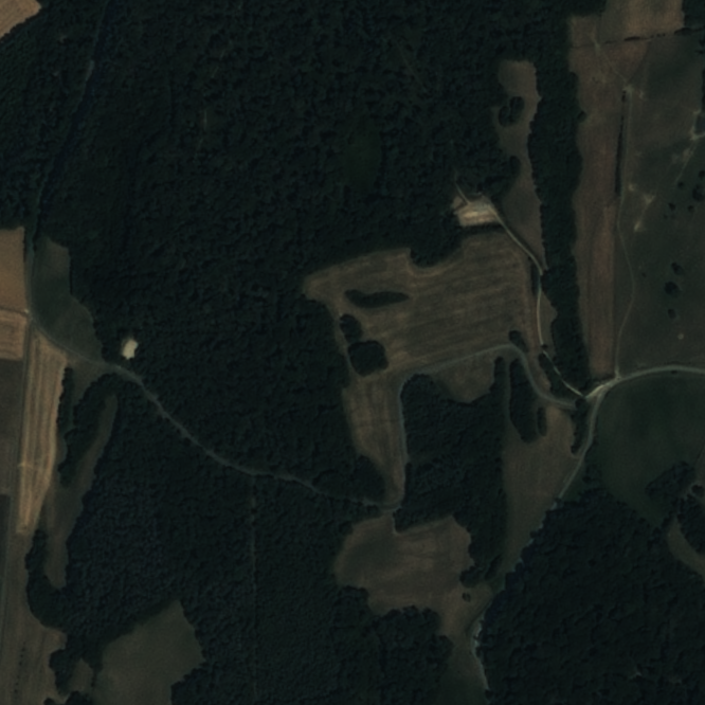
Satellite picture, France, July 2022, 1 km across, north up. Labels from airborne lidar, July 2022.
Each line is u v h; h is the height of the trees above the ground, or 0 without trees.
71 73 21
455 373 0
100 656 16
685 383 0
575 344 10
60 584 0
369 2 26
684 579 25
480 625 0
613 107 0
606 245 0
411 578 0
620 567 27
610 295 0
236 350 25
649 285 0
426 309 0
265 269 24
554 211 20
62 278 0
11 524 0
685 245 0
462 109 22
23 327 0
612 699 26
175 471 22
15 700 0
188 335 17
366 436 0
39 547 15
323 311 24
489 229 9
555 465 0
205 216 19
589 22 0
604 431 0
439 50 19
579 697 30
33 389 0
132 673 0
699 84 0
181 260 19
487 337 0
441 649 23
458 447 20
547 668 30
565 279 24
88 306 12
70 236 19
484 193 25
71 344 0
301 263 21
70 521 0
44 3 20
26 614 0
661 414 0
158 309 19
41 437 0
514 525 0
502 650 26
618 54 0
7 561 0
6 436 0
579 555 28
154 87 21
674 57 0
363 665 28
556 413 0
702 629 28
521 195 0
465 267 0
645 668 28
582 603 28
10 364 0
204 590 27
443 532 0
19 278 0
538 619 32
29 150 29
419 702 29
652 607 25
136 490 10
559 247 24
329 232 19
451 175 18
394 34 24
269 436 17
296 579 13
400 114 18
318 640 14
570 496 0
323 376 26
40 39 22
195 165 19
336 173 27
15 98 24
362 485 13
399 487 0
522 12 20
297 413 25
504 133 0
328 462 25
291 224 24
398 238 19
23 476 0
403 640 24
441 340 0
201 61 14
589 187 0
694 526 20
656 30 0
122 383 20
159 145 24
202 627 25
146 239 24
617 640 28
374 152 0
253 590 14
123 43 19
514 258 0
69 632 13
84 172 24
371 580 0
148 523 27
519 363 10
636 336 0
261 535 16
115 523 29
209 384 17
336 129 18
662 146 0
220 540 19
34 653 0
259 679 9
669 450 0
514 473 0
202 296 19
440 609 0
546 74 22
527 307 0
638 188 0
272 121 9
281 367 25
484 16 23
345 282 0
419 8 23
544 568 30
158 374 15
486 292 0
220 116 22
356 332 14
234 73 20
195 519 22
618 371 0
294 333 28
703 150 0
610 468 0
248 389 21
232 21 20
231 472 17
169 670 0
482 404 10
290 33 19
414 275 0
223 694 23
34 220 16
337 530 21
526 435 18
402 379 0
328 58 26
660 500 15
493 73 17
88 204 21
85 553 20
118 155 10
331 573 17
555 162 27
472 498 20
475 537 16
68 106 17
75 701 13
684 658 28
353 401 0
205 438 19
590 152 0
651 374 0
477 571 14
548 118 23
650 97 0
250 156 25
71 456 14
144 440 16
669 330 0
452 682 0
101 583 29
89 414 22
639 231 0
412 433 12
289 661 9
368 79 23
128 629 21
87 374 0
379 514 14
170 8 20
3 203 21
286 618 7
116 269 10
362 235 15
